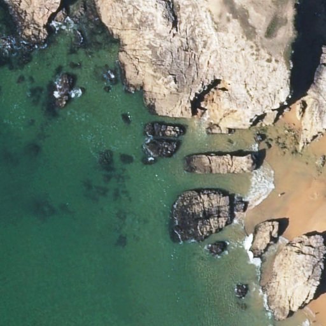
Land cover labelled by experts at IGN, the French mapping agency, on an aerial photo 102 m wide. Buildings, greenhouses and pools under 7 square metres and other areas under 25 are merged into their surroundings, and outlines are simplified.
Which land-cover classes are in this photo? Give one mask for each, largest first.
<instances>
[{"label":"water","instance_id":"1","mask_svg":"<svg viewBox=\"0 0 326 326\"><path fill-rule=\"evenodd\" d=\"M66 17L74 20L73 32H65L64 29H55L52 25L45 24L47 36L39 38L36 34L20 33L17 20L11 14L9 4L4 0H0V326H280L279 318L267 317L264 301L259 295L261 290L266 292L271 285L269 279L275 259L273 256H267L266 262L255 266L250 264L244 250V239L255 229L252 224L244 225L239 222L228 227L224 224L215 230H209L208 234H205L204 242L187 239L174 243L168 233L169 214H174V206L183 192L199 187H219L236 196H242L244 200L250 192L255 166L252 164L244 171L241 169L233 173L199 174L186 171L183 159L187 154L219 150L214 145L216 134H206V127L209 124L202 120L201 116L169 117L146 110L143 84L134 92L126 88L125 64L120 60V52L125 50V43L121 38L113 36L102 22L96 0H76L69 8L62 10ZM154 121L181 122L187 125V131L183 136L180 150L172 158H160L154 166H144L141 163V152H144L148 144L143 135L144 125L152 124Z\"/></svg>","mask_w":326,"mask_h":326},{"label":"bare soil","instance_id":"2","mask_svg":"<svg viewBox=\"0 0 326 326\"><path fill-rule=\"evenodd\" d=\"M9 4L11 14L17 20L20 33L36 34L39 38L47 36L45 24L52 25L55 29H64L65 32H73L74 20L66 17L62 10L69 8L76 0H4ZM102 22L113 36L121 38L125 43V50L120 52V60L125 64L126 88L134 92L143 84L146 110L169 117L201 116L202 120L209 124L206 127V134H216L214 145L219 150L187 154L183 159L186 171L199 174L233 173L241 169L244 171L252 164L255 166L250 192L244 200L242 196H236L219 187H199L183 192L174 206V214H169L168 233L174 243L187 239L204 242L205 234H208L209 230H215L224 224L228 227L239 222L244 225L252 224L255 229L244 239V250L250 264L255 266L266 262L267 256H273L275 259L269 279L271 285L266 292L261 290L259 295L264 301L267 317L279 318L280 326H326V0H96ZM187 131V125L181 122L154 121L152 124L144 125L143 135L148 144L144 152H141V163L144 166H154L160 158H172L180 150L183 136Z\"/></svg>","mask_w":326,"mask_h":326}]
</instances>
